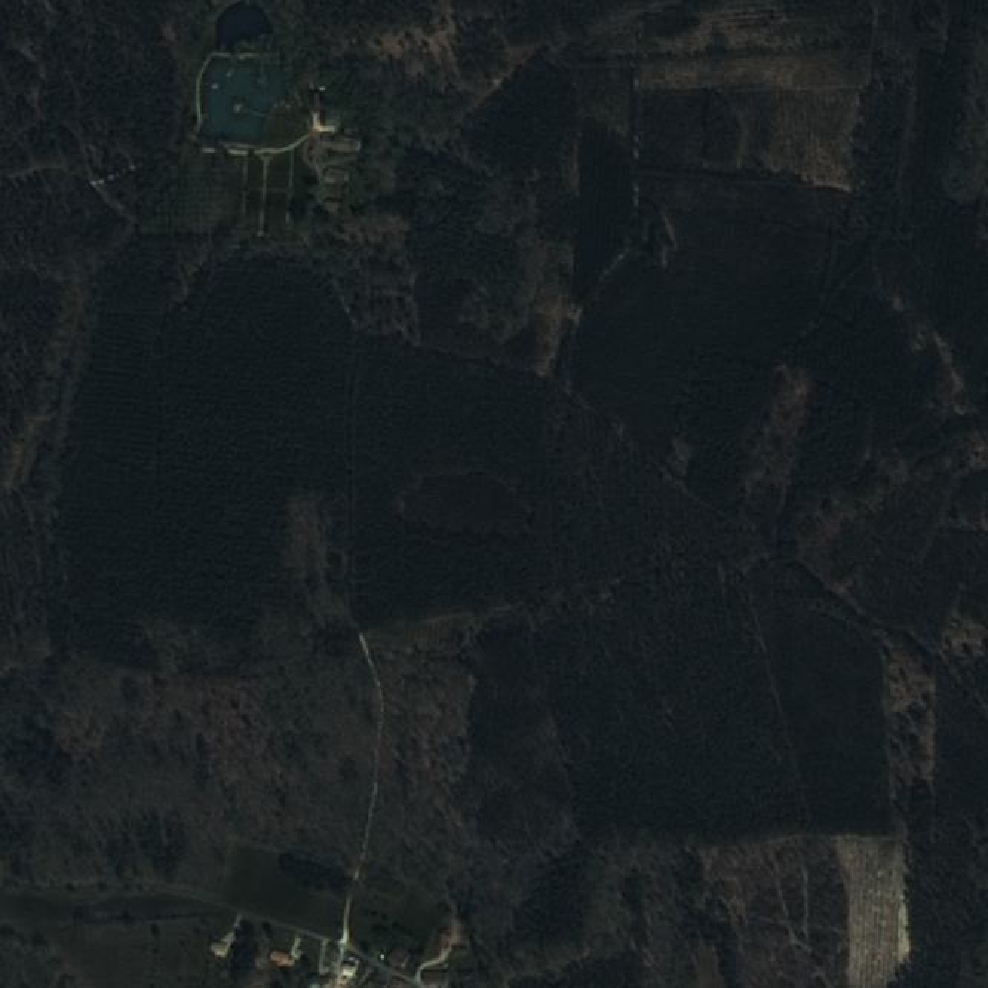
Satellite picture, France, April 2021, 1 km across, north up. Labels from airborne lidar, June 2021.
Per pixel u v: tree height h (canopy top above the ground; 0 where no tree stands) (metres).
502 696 11
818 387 10
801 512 17
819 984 8
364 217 15
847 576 8
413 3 22
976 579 7
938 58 8
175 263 19
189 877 13
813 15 18
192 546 17
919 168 8
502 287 16
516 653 13
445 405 15
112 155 12
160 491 19
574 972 9
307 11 10
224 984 7
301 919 0
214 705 13
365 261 14
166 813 14
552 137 13
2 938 16
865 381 13
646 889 11
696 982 18
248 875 0
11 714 11
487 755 11
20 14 20
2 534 18
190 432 17
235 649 22
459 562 18
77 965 0
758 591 14
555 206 7
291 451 18
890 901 0
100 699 17
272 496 18
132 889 9
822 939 10
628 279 7
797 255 8
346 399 16
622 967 10
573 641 17
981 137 16
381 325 10
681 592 16
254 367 18
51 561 17
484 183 17
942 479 7
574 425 15
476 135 13
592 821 19
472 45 24
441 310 6
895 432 8
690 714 16
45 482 20
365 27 21
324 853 15
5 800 12
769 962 11
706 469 18
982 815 13
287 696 20
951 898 15
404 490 16
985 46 10
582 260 11
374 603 19
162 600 19
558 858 12
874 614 13
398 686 14
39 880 19
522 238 18
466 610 16
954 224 13
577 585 20
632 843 12
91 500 19
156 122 22
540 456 20
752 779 15
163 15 21
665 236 9
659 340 8
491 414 20
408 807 15
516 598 16
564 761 14
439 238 15
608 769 17
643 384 7
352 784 18
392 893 19
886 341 12
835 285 11
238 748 8
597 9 17
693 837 19
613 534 18
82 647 21
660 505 19
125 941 0
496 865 14
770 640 10
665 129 7
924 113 8
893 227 14
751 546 18
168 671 14
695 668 18
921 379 11
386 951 6
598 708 15
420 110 22
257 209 10
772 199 7
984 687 17
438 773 12
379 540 21
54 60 22
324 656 19
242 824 18
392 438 17
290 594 17
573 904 21
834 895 13
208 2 16
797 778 15
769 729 17
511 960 15
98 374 17
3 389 19
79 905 0
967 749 12
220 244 15
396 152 13
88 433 15
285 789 13
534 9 15
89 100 19
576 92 12
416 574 19
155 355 14
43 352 21
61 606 19
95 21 22
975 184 15
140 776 17
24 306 9
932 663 13
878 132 14
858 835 10
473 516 6
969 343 10
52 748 18
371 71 18
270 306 21
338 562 21
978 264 13
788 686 12
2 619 15
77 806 17
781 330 8
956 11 12
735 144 21
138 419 15
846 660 12
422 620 19
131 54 18
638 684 16
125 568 22
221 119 0
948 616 11
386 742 13
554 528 17
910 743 14
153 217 19
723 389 14
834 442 17
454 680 13
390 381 17
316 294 20
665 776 17
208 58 0
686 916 10
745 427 19
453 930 0
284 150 0
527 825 7
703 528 18
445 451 16
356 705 23
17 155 16
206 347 18
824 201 7
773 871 13
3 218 19
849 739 11
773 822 17
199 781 19
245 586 18
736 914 7
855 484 16
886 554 11
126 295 19
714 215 7
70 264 20
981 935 16
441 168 19
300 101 0
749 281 7
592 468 12
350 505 12
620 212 12
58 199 18
